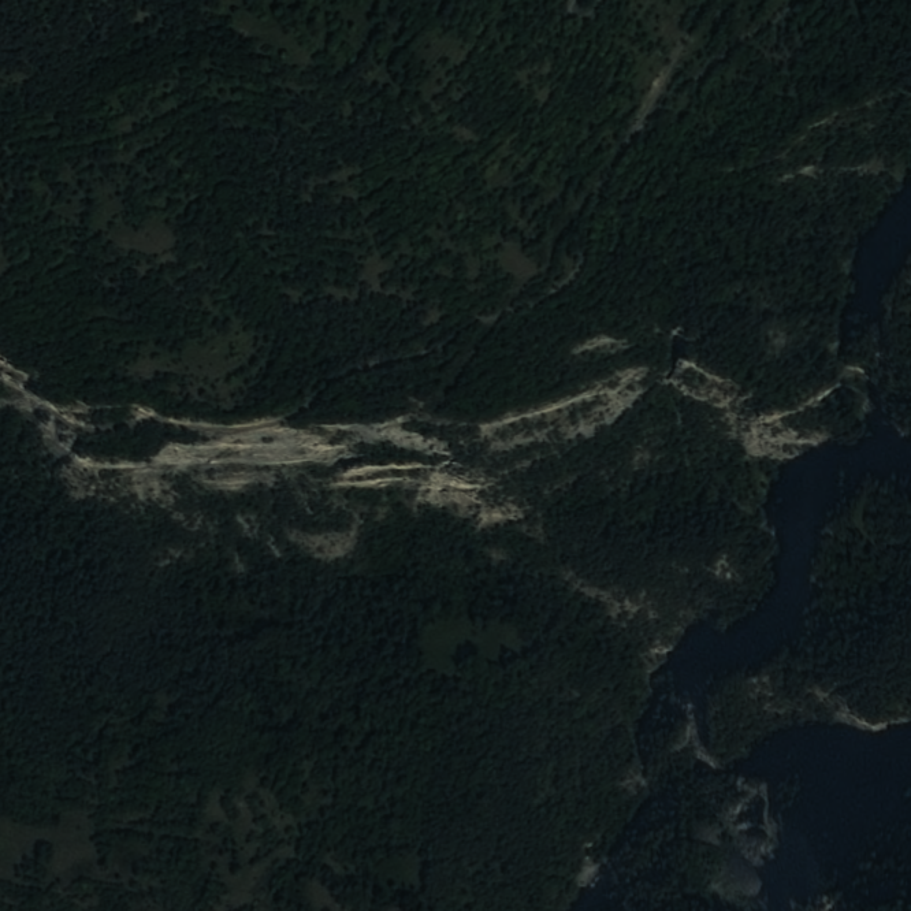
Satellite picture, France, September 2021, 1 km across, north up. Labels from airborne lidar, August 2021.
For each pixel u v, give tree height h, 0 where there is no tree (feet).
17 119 36
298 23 42
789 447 25
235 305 28
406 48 44
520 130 38
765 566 39
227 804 44
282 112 39
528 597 70
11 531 78
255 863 36
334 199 19
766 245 46
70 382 46
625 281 63
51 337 59
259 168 46
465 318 36
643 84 0
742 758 24
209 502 30
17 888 21
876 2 37
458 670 51
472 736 54
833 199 29
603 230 38
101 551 61
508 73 38
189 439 41
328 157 45
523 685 54
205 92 49
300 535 23
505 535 40
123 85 39
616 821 36
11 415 38
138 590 48
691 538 71
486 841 76
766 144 50
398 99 25
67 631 69
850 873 28
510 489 28
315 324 34
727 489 46
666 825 33
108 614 51
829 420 57
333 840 22
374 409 58
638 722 26
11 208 50
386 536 44
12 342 43
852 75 32
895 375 30
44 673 67
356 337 53
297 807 60
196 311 29
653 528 19
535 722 47
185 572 24
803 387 46
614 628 48
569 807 39
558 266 28
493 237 37
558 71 32
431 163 45
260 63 52
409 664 69
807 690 31
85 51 51
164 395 35
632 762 58
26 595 83
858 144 56
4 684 34
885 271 28
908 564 77
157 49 64
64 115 55
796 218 53
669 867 78
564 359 36
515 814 72
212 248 40
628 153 56
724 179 62
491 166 31
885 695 48
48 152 44
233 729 73
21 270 39
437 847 62
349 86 33
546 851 64
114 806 26
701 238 53
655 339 49
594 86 60
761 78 46
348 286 34
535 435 20
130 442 45
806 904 31
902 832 59
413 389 25
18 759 63
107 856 49
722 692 28
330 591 56
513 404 32
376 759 32
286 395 55
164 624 73
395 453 34
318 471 40
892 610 66
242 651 56
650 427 23
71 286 46
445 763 55
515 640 0
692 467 23
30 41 32
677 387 24
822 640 85
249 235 48
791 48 45
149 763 28
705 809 34
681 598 32
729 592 23
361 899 39
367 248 30
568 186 42
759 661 34
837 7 46
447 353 50
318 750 59
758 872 0
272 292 42
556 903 32
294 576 54
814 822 41
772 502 28
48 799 52
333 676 51
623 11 47
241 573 20
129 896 40
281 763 41
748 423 31
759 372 59
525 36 30
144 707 38
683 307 52
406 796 53
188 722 43
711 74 45
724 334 69
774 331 23
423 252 45
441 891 54
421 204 44
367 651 54
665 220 71
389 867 0
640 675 37
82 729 52
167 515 24
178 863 57
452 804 74
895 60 48
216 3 42
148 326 49
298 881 43
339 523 41
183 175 48
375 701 57
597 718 59
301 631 68
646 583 35
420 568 44
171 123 30
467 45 39
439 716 25
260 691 75
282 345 39
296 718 66
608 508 66
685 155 39
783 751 34
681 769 40
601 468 43
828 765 26
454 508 20
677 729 32
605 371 33
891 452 45
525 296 29
